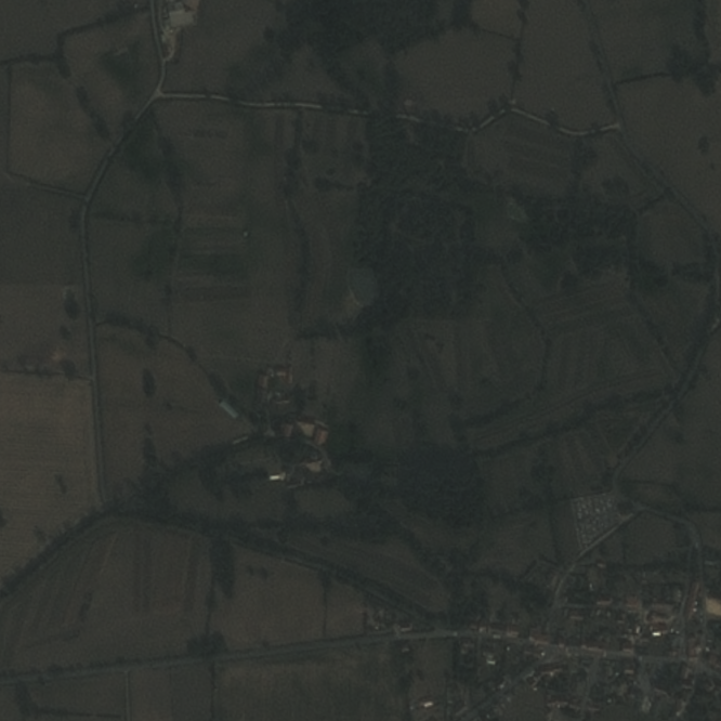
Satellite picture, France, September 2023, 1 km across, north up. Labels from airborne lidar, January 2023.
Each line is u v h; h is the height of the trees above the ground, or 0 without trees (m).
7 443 0
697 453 0
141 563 0
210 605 13
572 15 0
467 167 0
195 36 0
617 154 0
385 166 9
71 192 0
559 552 6
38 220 0
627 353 0
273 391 0
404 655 10
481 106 0
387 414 0
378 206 7
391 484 0
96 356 0
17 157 0
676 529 6
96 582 0
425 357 0
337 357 0
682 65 10
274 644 0
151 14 0
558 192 0
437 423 0
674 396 8
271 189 0
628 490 0
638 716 0
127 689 0
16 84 0
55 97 0
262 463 0
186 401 0
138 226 8
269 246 0
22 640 0
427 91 0
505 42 0
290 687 0
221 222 0
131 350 0
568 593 7
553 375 0
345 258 0
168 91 0
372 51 0
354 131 0
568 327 0
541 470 7
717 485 0
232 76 0
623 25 0
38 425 0
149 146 0
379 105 0
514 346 0
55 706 0
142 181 0
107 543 0
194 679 0
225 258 0
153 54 0
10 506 0
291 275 0
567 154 0
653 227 0
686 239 0
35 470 0
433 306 17
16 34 0
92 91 0
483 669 0
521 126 0
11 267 0
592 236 11
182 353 0
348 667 0
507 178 0
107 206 0
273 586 0
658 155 0
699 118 0
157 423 0
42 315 0
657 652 0
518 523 0
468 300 14
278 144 0
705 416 0
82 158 0
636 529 0
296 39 18
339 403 0
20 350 0
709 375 15
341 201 0
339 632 0
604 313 0
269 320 0
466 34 0
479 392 0
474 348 0
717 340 0
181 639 0
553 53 0
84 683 0
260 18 0
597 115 0
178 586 0
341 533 17
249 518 0
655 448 0
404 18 13
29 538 0
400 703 0
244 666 0
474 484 20
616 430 0
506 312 0
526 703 0
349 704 0
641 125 0
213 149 0
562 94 0
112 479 0
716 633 8
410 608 7
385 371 0
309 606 0
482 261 15
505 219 0
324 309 0
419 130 13
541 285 0
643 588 8
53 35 0
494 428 0
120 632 0
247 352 0
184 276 0
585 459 0
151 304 0
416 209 17
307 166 0
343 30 14
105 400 0
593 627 0
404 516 0
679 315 0
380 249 22
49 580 0
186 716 0
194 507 0
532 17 0
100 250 0
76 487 0
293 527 17
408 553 0
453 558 7
